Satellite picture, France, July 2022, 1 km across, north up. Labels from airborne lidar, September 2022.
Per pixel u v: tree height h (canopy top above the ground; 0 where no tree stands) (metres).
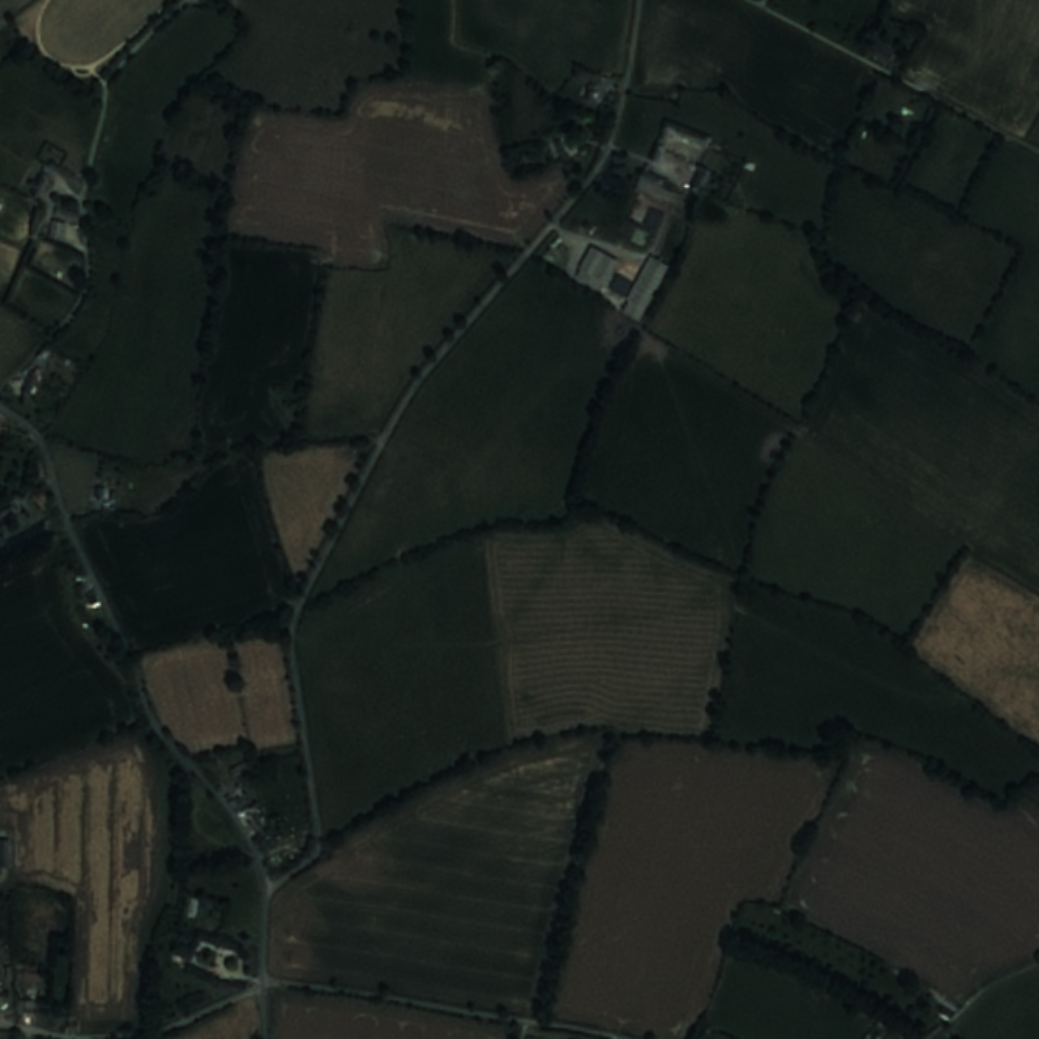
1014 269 8
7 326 0
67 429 0
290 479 0
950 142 0
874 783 0
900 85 15
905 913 0
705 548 0
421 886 0
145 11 0
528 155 10
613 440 0
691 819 0
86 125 0
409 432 0
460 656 0
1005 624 0
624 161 10
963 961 0
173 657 0
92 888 0
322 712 0
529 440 0
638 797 0
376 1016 0
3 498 15
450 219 0
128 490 0
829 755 13
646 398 0
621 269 0
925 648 0
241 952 14
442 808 0
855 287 14
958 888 0
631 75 0
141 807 0
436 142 0
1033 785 11
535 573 0
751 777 0
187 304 0
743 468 0
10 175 0
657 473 0
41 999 8
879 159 0
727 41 0
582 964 0
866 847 0
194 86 15
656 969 0
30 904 0
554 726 0
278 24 0
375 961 0
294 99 0
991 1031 0
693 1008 0
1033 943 0
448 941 0
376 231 0
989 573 0
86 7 0
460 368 0
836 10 0
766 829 0
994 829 0
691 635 0
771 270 0
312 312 5
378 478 0
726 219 0
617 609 0
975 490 0
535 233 0
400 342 0
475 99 0
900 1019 27
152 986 25
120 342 0
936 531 0
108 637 16
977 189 7
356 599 0
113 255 0
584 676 0
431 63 0
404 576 0
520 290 0
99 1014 0
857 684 0
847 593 0
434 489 0
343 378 0
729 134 0
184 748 7
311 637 0
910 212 0
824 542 0
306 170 0
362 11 0
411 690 0
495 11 0
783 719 0
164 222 0
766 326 0
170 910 5
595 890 0
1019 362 0
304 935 0
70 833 0
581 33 0
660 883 0
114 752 0
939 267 0
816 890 0
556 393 0
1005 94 0
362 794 0
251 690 0
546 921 0
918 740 0
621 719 0
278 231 0
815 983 25
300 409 6
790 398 0
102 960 0
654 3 0
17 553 26
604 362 0
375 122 0
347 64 0
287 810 0
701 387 0
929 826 0
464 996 0
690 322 0
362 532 0
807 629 0
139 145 0
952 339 9
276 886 0
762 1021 0
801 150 12
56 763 0
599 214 0
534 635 0
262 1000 0
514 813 0
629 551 0
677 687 0
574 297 0
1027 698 0
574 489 15
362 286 0
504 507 0
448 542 6
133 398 0
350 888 0
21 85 0
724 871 0
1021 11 0
